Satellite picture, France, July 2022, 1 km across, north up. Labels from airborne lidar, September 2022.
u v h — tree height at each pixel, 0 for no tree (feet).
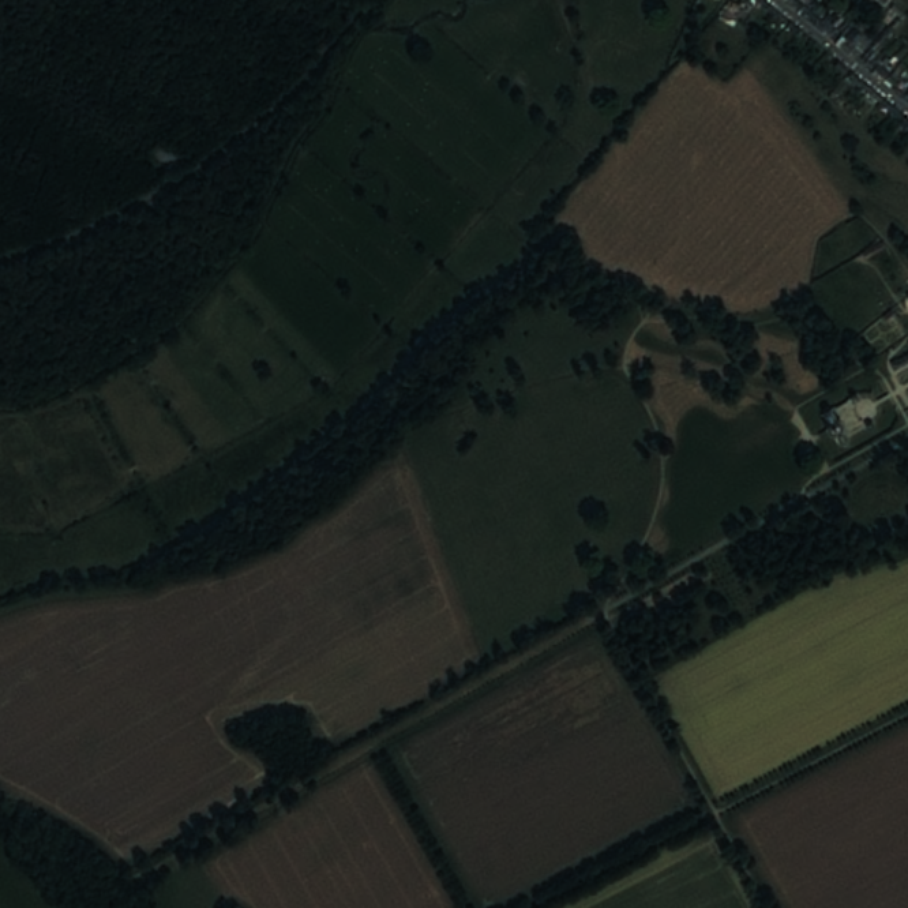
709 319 92
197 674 0
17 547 0
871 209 0
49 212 48
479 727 0
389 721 51
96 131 49
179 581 34
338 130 0
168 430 0
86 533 0
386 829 0
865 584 0
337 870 0
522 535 0
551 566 0
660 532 0
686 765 0
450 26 0
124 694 0
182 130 53
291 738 73
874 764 0
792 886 0
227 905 73
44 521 0
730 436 0
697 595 58
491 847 0
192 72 50
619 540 0
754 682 0
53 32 52
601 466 0
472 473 0
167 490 0
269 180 54
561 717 0
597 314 90
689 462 0
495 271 0
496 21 0
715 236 0
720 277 0
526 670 0
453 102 0
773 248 0
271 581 0
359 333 0
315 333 0
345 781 0
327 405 0
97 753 0
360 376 0
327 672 0
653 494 0
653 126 0
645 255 0
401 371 58
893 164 0
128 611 0
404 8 0
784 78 0
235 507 83
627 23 0
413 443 0
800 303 83
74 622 0
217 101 55
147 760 0
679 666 0
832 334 84
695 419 0
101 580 76
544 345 0
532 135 0
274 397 0
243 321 0
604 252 0
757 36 48
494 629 0
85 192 44
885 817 0
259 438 0
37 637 0
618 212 0
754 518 74
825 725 0
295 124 60
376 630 0
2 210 51
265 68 53
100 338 64
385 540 0
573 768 0
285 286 0
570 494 0
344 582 0
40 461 0
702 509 0
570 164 0
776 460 0
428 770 0
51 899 72
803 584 53
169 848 31
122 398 0
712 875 0
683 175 0
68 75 44
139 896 76
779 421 0
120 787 0
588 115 0
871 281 0
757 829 0
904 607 0
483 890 0
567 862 0
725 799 31
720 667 0
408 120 0
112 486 0
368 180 0
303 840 0
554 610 0
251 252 58
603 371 104
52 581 64
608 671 0
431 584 0
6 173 49
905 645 0
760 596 0
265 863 0
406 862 0
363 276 0
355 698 0
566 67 0
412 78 0
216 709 0
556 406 0
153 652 0
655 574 101
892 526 68
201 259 62
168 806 0
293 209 0
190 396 0
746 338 81
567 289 98
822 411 40
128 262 75
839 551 68
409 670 0
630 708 0
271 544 57
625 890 0
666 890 0
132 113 52
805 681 0
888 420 0
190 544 80
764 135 0
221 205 63
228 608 0
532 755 0
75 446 0
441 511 0
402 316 0
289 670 0
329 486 64
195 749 0
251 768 0
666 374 0
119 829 0
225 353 0
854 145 33
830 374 76
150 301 66
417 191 0
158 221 68
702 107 0
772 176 0
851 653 0
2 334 73
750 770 0
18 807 18
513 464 0
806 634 0
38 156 44
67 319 62
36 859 70
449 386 101
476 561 0
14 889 0
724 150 0
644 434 0
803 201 0
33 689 0
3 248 42
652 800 0
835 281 0
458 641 0
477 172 0
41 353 67
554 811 0
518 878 0
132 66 53
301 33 55
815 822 0
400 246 0
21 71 52
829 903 0
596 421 0
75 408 0
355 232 0
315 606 0
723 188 0
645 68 0
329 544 0
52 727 0
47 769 0
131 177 47
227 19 49
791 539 94
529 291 81
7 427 0
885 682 0
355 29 75
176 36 58
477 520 0
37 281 67
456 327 92
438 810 0
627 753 0
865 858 0
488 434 0
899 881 0
